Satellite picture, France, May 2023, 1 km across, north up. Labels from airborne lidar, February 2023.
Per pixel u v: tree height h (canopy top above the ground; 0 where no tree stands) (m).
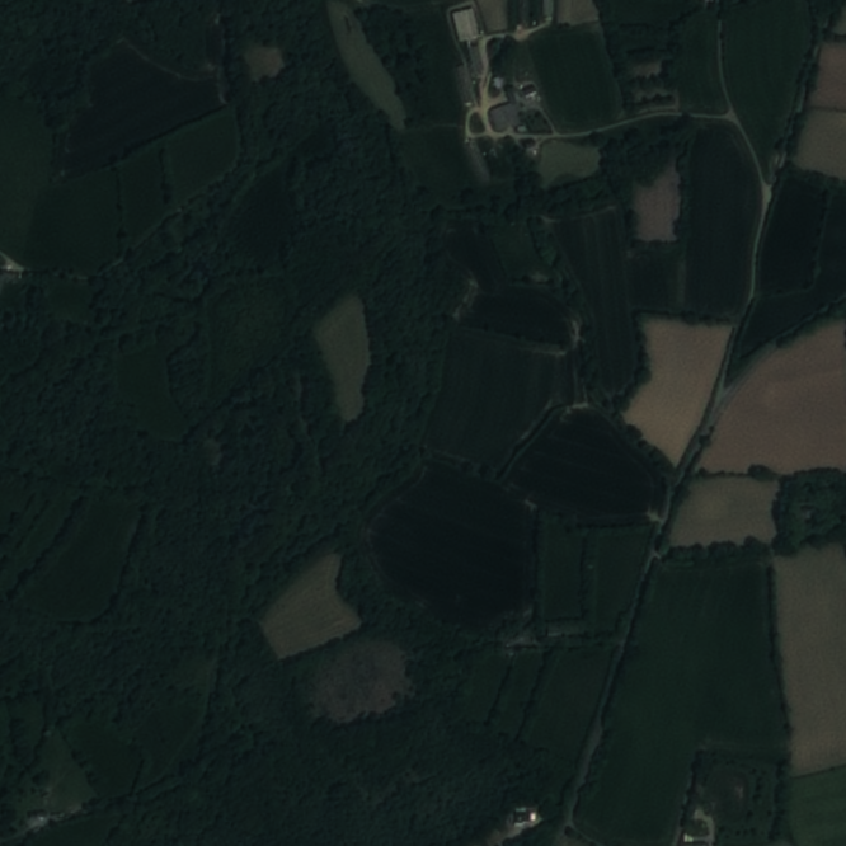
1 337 14
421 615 8
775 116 0
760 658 0
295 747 12
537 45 0
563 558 0
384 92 0
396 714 9
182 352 8
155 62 0
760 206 0
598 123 0
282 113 10
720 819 0
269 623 0
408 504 0
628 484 0
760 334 0
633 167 21
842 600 0
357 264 20
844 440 0
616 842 0
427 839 12
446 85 0
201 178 0
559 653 7
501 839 0
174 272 13
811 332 14
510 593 0
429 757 9
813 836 0
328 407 20
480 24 0
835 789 0
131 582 11
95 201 0
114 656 19
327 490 8
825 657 0
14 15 9
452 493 0
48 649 14
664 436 0
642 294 0
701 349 0
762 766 0
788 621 0
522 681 0
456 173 0
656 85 16
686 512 0
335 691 0
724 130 0
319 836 14
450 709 20
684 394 0
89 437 13
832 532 23
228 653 10
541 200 16
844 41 9
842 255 0
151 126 0
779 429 0
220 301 6
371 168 7
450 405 0
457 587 0
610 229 0
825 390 0
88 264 0
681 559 12
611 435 0
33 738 0
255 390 19
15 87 9
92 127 0
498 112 0
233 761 14
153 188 0
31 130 0
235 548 26
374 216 15
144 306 18
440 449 0
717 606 0
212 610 11
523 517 0
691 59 0
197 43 10
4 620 9
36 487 15
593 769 8
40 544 0
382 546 0
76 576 0
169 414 0
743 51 0
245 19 8
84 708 14
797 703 0
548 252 18
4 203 0
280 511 10
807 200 0
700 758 14
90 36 18
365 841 8
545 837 10
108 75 0
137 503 11
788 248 0
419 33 12
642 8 0
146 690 10
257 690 10
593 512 0
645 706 0
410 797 10
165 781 8
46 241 0
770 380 0
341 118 10
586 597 12
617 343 0
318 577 0
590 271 0
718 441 0
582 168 0
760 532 0
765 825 0
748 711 0
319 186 15
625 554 0
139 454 12
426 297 10
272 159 16
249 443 19
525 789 14
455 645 13
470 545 0
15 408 10
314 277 14
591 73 0
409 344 9
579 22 0
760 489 0
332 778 9
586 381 15
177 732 0
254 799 15
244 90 20
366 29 12
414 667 11
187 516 8
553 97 0
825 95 0
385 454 7
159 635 7
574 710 0
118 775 0
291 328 7
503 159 0
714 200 0
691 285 0
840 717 0
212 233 26
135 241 0
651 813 0
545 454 0
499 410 0
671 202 0
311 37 19
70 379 10
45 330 17
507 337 6
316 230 19
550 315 0
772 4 0
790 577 0
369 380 14
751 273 0
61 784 0
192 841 9
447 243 0
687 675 0
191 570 11
